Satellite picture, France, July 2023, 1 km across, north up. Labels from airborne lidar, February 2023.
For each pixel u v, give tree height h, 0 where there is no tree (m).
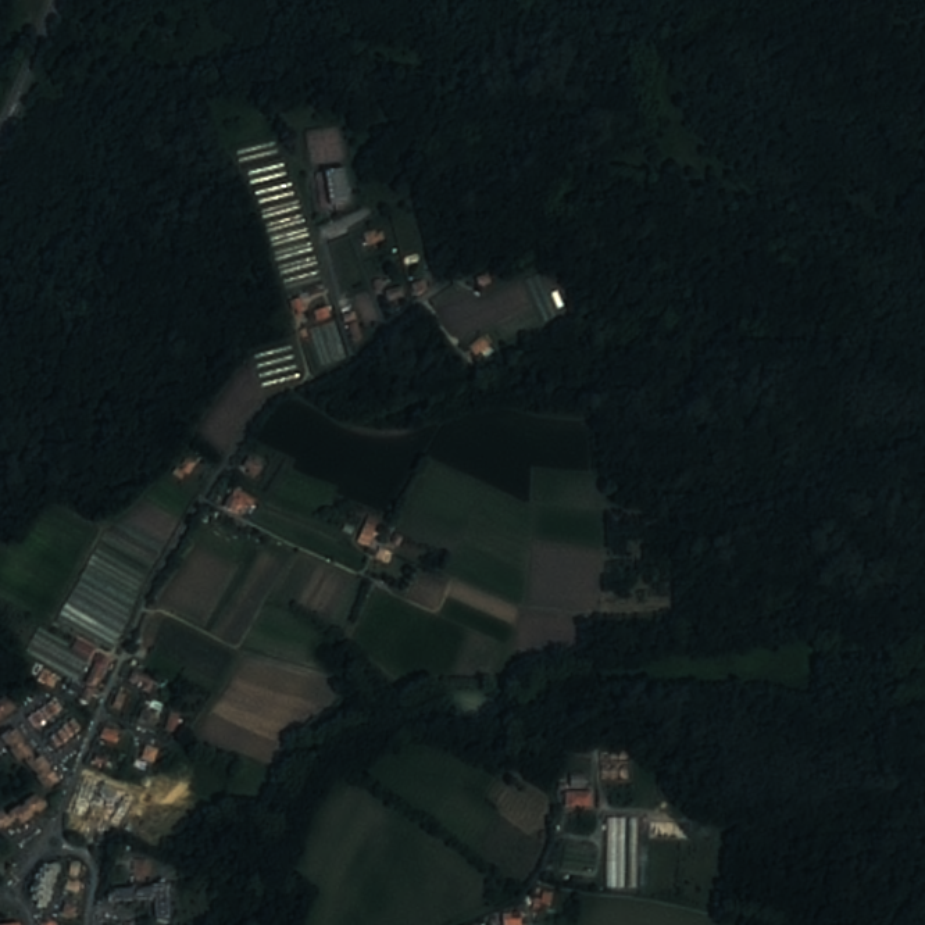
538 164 15
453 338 0
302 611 6
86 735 0
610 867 0
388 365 24
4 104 0
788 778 24
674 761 26
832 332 13
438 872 0
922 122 8
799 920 16
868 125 10
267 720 0
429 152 30
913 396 20
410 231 0
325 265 0
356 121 16
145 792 0
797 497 18
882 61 16
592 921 0
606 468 14
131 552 0
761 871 15
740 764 23
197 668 0
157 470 13
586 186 16
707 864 0
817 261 27
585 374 11
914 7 6
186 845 11
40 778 0
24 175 9
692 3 18
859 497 27
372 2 16
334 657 12
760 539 18
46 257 19
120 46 6
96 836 5
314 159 0
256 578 0
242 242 18
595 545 0
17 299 25
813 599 16
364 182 16
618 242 19
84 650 0
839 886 20
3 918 7
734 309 23
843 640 23
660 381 18
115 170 22
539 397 15
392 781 0
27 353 17
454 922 0
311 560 0
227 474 9
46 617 0
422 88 24
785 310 23
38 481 21
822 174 14
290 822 21
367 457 0
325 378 11
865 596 23
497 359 16
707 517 16
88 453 19
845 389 23
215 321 25
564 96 24
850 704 25
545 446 0
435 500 0
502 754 18
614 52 26
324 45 22
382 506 0
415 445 0
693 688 20
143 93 21
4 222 13
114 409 29
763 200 13
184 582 0
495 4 13
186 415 17
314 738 26
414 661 0
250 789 0
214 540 0
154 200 21
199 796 0
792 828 21
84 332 23
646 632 16
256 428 13
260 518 0
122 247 24
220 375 16
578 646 12
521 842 0
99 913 0
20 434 21
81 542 0
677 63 9
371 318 0
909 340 10
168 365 22
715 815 17
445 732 16
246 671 0
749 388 26
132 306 18
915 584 30
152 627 0
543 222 21
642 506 14
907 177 12
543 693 14
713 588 20
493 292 0
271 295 19
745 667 0
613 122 28
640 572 8
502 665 0
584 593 0
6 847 22
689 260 23
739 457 19
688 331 19
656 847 0
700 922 0
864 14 15
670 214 21
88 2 19
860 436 13
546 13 15
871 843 21
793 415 25
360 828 0
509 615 0
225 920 7
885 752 23
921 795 8
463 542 0
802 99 13
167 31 24
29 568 0
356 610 7
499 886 6
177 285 27
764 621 19
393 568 0
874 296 11
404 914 0
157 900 0
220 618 0
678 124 0
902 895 22
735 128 13
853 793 18
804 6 17
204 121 23
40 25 0
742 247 18
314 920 0
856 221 17
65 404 23
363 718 23
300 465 0
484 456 0
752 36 11
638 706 28
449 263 12
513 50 27
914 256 12
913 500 24
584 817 11
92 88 10
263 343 15
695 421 17
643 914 0
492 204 17
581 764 0
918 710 24
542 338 14
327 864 0
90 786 0
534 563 0
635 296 12
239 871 14
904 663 30
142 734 0
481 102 18
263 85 19
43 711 0
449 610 0
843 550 27
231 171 24
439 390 25
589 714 29
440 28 16
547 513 0
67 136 9
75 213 7
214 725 0
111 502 11
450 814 0
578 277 13
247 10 10
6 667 29
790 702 16
